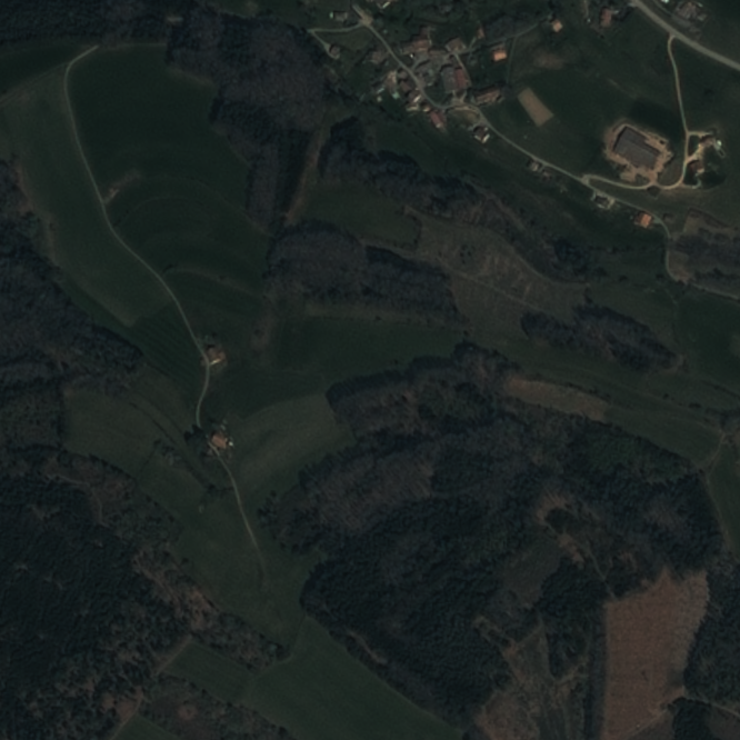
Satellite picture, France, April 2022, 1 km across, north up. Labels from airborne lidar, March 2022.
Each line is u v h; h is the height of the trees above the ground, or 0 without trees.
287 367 0
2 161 0
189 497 0
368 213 0
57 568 13
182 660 0
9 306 29
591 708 9
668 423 0
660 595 0
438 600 18
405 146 0
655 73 0
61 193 0
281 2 0
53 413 6
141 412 0
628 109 0
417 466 30
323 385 0
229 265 0
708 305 0
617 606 29
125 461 0
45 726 10
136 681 12
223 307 0
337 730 0
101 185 0
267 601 0
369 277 27
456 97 0
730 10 0
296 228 0
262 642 10
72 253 0
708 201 0
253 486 0
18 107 0
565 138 0
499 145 0
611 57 0
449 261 0
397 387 27
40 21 22
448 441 30
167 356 0
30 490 16
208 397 0
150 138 0
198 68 30
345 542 22
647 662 0
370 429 29
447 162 0
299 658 0
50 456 12
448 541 15
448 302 30
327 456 0
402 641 18
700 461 0
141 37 24
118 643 22
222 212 0
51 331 25
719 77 0
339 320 0
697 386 0
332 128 0
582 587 9
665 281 10
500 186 0
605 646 31
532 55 0
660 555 33
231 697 0
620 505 28
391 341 0
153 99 0
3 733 9
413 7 13
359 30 0
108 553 13
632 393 0
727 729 0
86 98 0
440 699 27
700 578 27
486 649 26
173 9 20
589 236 0
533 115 0
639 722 0
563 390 0
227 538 0
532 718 0
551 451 7
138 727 0
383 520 28
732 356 0
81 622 13
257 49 31
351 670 0
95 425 0
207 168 0
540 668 0
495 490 23
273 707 0
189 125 0
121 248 0
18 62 0
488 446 31
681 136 0
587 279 26
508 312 0
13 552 12
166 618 14
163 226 0
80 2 23
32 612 13
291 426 0
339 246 31
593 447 9
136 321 0
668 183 0
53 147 0
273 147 26
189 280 0
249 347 0
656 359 28
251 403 0
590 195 0
